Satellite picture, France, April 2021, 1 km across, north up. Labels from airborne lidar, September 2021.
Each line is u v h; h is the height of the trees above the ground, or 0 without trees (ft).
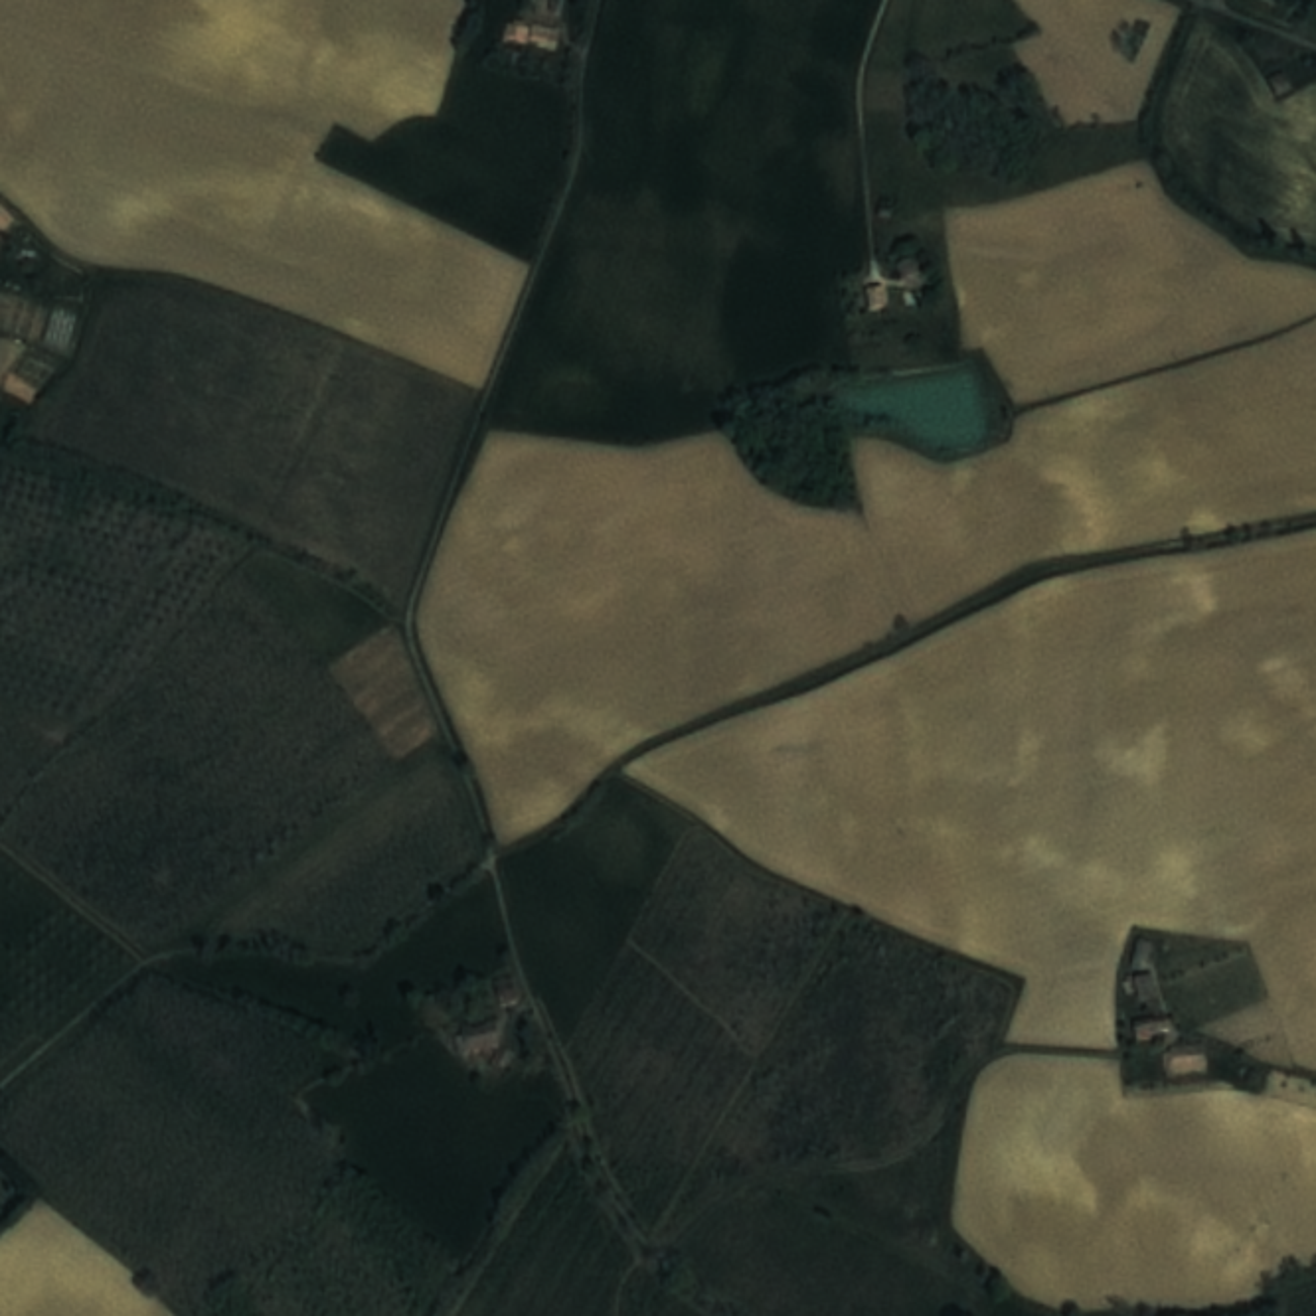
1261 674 0
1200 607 0
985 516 0
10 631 42
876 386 0
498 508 0
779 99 0
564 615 0
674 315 0
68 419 0
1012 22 0
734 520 0
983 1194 0
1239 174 0
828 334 0
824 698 0
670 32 0
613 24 0
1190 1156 0
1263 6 0
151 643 23
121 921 40
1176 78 0
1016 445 0
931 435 0
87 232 0
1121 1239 0
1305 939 0
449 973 0
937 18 0
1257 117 0
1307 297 0
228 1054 65
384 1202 45
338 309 0
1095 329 0
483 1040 0
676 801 0
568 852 0
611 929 0
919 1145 0
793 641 0
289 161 0
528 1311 0
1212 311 0
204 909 50
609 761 0
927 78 56
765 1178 0
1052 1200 0
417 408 0
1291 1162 0
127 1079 44
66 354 0
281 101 0
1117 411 0
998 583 0
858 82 0
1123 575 0
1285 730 0
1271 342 0
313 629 0
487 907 0
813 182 0
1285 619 0
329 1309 25
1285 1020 0
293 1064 69
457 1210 0
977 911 0
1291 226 0
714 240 0
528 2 31
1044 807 0
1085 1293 0
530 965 0
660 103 0
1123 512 0
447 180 0
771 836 0
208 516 29
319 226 0
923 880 0
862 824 0
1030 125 70
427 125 0
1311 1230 0
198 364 0
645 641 0
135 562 34
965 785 0
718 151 0
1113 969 0
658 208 0
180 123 0
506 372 0
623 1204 39
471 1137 0
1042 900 0
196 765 31
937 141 52
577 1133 0
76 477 58
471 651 0
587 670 0
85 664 42
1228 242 0
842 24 0
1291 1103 0
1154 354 0
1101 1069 0
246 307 0
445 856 31
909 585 0
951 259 0
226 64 0
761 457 52
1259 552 0
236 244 0
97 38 0
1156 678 0
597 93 0
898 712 0
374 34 0
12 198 0
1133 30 41
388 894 38
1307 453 0
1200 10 30
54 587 26
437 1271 37
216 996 22
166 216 0
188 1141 47
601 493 0
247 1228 39
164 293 0
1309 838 0
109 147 0
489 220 0
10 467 49
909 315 0
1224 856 0
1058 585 0
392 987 0
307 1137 45
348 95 0
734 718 0
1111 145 0
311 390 0
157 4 0
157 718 33
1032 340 0
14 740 0
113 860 48
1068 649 0
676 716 0
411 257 0
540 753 0
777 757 0
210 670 32
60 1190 34
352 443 0
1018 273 0
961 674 0
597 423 0
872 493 0
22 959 26
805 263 0
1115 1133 0
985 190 0
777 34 0
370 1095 0
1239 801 0
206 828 46
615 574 0
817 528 0
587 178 0
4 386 0
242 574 26
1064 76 0
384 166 0
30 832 27
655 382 0
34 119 0
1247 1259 0
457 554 0
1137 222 0
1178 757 0
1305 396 0
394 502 0
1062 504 0
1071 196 0
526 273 0
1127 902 0
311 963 55
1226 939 0
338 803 29
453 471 0
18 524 43
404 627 0
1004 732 0
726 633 0
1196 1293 0
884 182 0
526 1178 59
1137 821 0
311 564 42
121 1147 37
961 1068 26
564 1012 0
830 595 0
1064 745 0
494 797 0
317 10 0
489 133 0
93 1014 0
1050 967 0
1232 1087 0
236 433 0
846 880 0
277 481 0
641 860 0
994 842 0
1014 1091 0
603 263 0
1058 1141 0
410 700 0
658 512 0
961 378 0
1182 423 0
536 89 0
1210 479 0
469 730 0
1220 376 0
